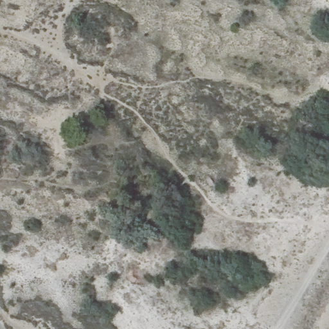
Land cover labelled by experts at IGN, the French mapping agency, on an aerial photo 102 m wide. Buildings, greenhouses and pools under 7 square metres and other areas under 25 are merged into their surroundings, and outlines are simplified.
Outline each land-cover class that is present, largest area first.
<instances>
[{"label":"herbaceous vegetation","instance_id":"1","mask_svg":"<svg viewBox=\"0 0 329 329\"><path fill-rule=\"evenodd\" d=\"M37 4L33 9L35 17L21 28L4 26V30L46 32L45 23L57 28L60 13L66 21L64 45L69 50V57L76 59L80 64L94 66L96 76L104 69L105 73L114 77L111 84L105 86L103 99L113 100L118 107H125L134 113L138 120L132 127V134L140 136L150 152L167 159L173 170L184 177L185 184L190 186L191 194H200L204 200L211 191L227 193L231 182L238 176V159L231 154L218 153V141L233 140L243 127L262 121L279 123L284 118H289L294 109L320 89L329 91V42L317 39L311 31V22L317 10L329 9V0H238L243 12L236 18L235 23L231 24V32L245 28L249 31L260 30L263 35L269 36L266 40L260 41L258 49L249 50L244 57L234 55L236 72L230 81H213L195 77L184 53L164 46L168 39L167 31L152 30L144 33L138 30L139 23L136 18L147 13L148 6L158 5L159 8L170 9L171 6L173 8L179 5L181 0H31ZM102 99L99 89L95 86L76 80L75 69L63 66L60 60L53 59V55L27 40L0 33V117L4 120L22 122L24 130L40 134L41 140L49 144L53 150L50 162L54 166L50 175L41 176V171L36 170L33 175L26 176L23 175V171H19L18 164L12 159L1 163L4 149H8V152L12 150L17 136L8 126L0 130V245L5 253L33 257L37 249L28 244L27 240L31 238L41 247L48 240L59 242L60 239H64L69 247H76V240H81L84 251L102 254L105 242L114 239V231L118 230L121 222L112 215V207L99 208L103 200H111L105 194L98 195L93 200L84 198L86 191L95 189L96 181L78 180V172L87 170L80 166L75 157L67 156L66 143L60 135V126L68 117L89 111ZM302 306L307 308V312L294 329H329V253L305 292L302 294ZM0 307L12 319L27 321L37 329H78L64 321L62 310L51 299L36 296L30 299H5L3 285L0 283Z\"/></svg>","mask_w":329,"mask_h":329},{"label":"bare soil","instance_id":"2","mask_svg":"<svg viewBox=\"0 0 329 329\"><path fill-rule=\"evenodd\" d=\"M37 4L31 0H0V33L27 40L53 55V59L60 60L63 66L75 69L76 80L95 86L99 89L102 99H103L105 86L111 84L114 77L105 73L104 69L96 76L94 66L80 64L76 59L69 57V50L64 45L66 21L60 13L57 28L45 23L46 32L4 30V26L21 28L35 17L33 9ZM243 12L238 0H181L179 5L173 8L171 6L170 9L159 8L158 5L148 6L147 13L136 18L139 23L138 30L144 33L152 30L167 31L168 39L164 46L184 53L195 77L213 81H230L236 72L234 55L244 57L249 50L258 49L260 41L266 40L269 36L263 35L260 30L249 31L245 28L231 32V24L235 23L236 18ZM218 153L231 154L238 159V176L231 182L227 193L211 191L204 200L200 212L204 218L203 231L195 235L194 248L254 253L266 262L270 272H275L269 287L248 293L242 301L230 298L227 302V312L215 308L213 311L195 316L188 298L177 301L180 285H173L170 280H166L163 287L157 288L144 279L145 274L157 275L164 271L166 263L163 262L161 253L130 251L114 239L105 242L102 254L84 251L81 240H76V247H69L64 239H60L59 242L48 240L41 247L31 238L27 240L28 244L37 249L33 257L5 253L0 245V283L3 285L5 299H30L36 296L51 299L62 310L64 321L78 329H80L81 321L75 319L72 312L80 311L84 299L82 288L85 283L95 285L96 298L100 301H112L122 307V312H118L113 319L118 329H294L307 312V308L302 306V294L305 292L299 289V285L306 278L315 258L299 260L297 254L305 251V245L311 236L329 227V188L303 186L296 177L284 175V167L275 157H249L236 150L233 140L218 141ZM0 329H37L27 321L12 319L0 307Z\"/></svg>","mask_w":329,"mask_h":329},{"label":"brushwood","instance_id":"3","mask_svg":"<svg viewBox=\"0 0 329 329\"><path fill-rule=\"evenodd\" d=\"M311 31L317 39L329 42V9L317 10L311 22ZM236 150L249 157H275L284 167V175L296 177L303 186L329 188V91L320 89L294 109L289 118H284L279 123L262 121L243 127L233 140ZM138 120L134 113L125 107H118L113 100L103 99H102L89 111L68 117L60 126V135L66 143L67 156L75 157L80 166L87 170L78 172V180L96 181L95 189L86 191L84 198L93 200L98 195L105 194L111 200H103L99 208L112 207V215L121 222L118 230L114 231V239L130 251L161 253L163 262L166 263L164 271L157 275L145 274L144 279L157 288L163 287L166 280H170L173 285H180L177 301L188 298L195 316L213 311L215 308L227 312V302L230 298L242 301L248 293L269 287L275 272H270L266 262L254 253L194 248L195 235L203 231L204 218L200 212L204 200L200 194H191L190 186L185 184L184 177L173 170L167 159L150 152L140 136L132 134V127ZM8 126L17 136L12 150L8 152V149H4L1 163L12 159L18 164L19 171H23V175L26 176L33 175L36 170L41 171V176L50 175L54 166L50 162L53 150L49 144L41 140L40 134L24 130L22 122L4 120L0 117V130ZM84 299L80 311L72 312L75 319L81 321L80 329H118L113 319L118 312H122V307L112 301H100L96 298L95 285L85 283L82 288Z\"/></svg>","mask_w":329,"mask_h":329},{"label":"pervious surface","instance_id":"4","mask_svg":"<svg viewBox=\"0 0 329 329\"><path fill-rule=\"evenodd\" d=\"M329 253V227L311 236L305 245V251L297 254L299 260L315 258L306 278L299 285V289L305 292Z\"/></svg>","mask_w":329,"mask_h":329}]
</instances>
